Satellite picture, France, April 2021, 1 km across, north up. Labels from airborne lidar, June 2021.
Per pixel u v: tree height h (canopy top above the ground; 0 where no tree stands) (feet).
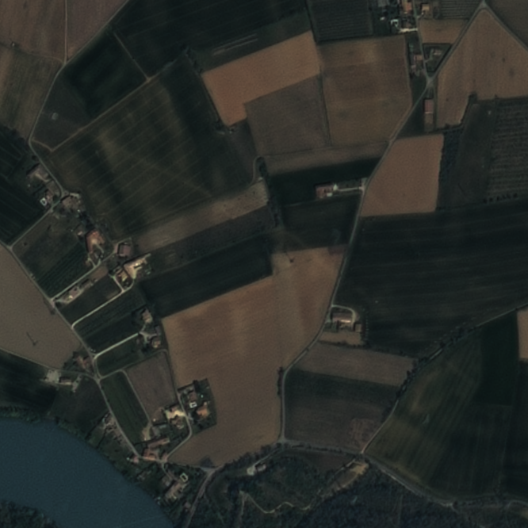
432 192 0
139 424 0
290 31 0
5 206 0
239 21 0
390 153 0
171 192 0
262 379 0
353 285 0
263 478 29
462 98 0
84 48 0
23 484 0
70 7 0
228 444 0
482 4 0
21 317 0
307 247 0
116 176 0
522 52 0
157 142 0
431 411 0
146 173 0
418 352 0
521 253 0
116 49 0
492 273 0
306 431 0
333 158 0
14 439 0
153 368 0
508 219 0
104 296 0
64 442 0
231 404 0
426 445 0
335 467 0
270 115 0
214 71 0
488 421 0
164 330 0
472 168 0
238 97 0
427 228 0
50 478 0
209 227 0
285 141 0
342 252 0
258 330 0
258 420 0
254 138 0
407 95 0
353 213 0
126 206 0
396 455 0
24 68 0
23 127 0
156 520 0
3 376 0
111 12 0
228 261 0
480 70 0
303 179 0
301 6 0
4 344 0
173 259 0
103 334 0
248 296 0
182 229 0
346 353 0
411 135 0
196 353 0
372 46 0
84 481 0
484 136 0
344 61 0
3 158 0
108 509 0
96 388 0
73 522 0
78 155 0
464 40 0
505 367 0
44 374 0
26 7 0
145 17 0
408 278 0
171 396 0
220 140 0
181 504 22
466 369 0
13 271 0
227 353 0
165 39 0
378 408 0
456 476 0
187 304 0
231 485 21
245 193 0
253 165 0
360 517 52
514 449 0
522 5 0
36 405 0
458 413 0
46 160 0
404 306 0
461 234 0
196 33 0
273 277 0
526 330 0
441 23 0
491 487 0
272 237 0
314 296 0
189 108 0
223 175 0
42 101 0
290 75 0
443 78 0
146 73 0
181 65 0
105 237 0
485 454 0
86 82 0
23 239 0
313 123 0
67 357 0
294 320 0
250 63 0
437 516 33
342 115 0
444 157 19
